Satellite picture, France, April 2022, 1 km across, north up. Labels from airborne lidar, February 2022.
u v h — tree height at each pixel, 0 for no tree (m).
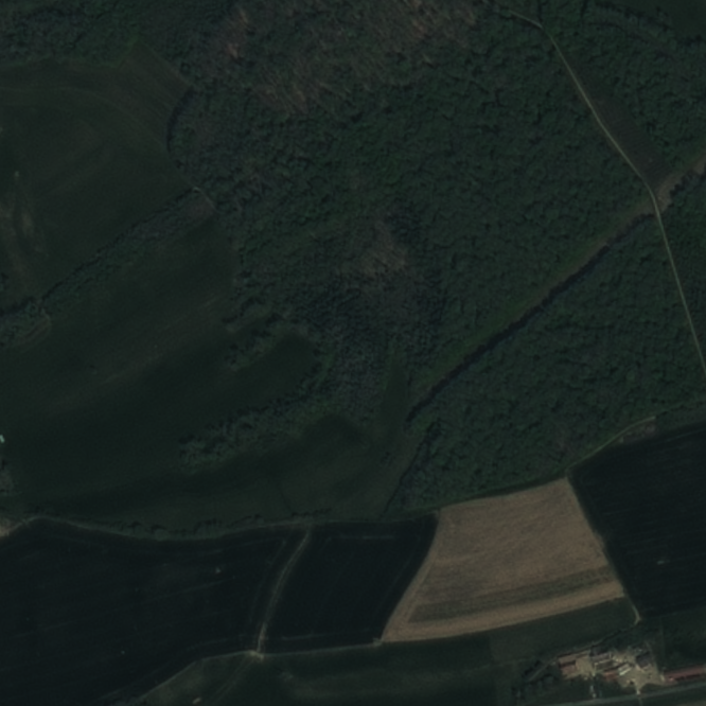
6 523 0
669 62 25
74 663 0
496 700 0
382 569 0
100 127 0
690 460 0
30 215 0
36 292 0
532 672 12
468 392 29
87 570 0
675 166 16
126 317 0
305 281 18
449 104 29
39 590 0
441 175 34
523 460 27
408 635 0
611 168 26
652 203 0
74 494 0
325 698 0
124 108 0
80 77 0
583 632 0
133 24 26
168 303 0
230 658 0
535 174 31
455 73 27
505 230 30
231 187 29
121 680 0
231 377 0
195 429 0
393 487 0
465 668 0
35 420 0
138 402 0
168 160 0
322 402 15
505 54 25
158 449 0
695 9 0
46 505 0
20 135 0
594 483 0
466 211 31
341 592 0
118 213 0
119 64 25
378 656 0
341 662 0
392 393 0
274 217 27
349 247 18
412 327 7
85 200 0
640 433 0
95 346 0
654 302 30
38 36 25
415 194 29
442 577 0
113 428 0
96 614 0
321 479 0
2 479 9
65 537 0
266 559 0
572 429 27
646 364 28
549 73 31
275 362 0
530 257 31
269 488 0
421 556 0
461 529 0
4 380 0
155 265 0
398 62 23
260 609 0
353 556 0
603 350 32
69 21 25
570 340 30
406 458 0
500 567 0
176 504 0
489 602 0
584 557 0
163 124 0
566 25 26
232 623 0
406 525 0
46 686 0
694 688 0
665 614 0
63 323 0
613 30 21
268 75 27
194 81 27
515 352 29
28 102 0
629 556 0
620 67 23
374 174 27
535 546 0
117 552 0
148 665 0
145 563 0
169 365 0
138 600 0
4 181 0
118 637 0
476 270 31
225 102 29
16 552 0
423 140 29
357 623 0
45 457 0
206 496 0
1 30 26
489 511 0
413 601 0
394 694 0
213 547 0
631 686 0
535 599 0
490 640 0
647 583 0
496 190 26
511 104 26
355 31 26
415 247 11
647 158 0
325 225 28
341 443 0
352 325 11
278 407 8
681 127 22
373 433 0
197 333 0
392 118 25
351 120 24
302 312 16
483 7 22
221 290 0
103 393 0
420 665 0
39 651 0
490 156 29
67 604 0
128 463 0
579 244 26
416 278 20
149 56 0
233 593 0
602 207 24
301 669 0
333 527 0
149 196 0
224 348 0
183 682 0
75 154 0
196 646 0
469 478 29
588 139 23
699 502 0
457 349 22
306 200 23
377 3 27
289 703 0
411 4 23
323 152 23
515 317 0
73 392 0
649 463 0
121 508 0
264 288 17
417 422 18
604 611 0
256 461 0
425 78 31
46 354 0
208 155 20
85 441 0
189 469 7
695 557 0
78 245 0
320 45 26
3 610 0
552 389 30
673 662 0
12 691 0
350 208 23
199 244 0
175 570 0
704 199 31
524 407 28
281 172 20
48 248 0
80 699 0
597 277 29
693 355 23
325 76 27
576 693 0
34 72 0
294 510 0
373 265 22
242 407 0
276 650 0
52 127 0
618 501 0
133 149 0
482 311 29
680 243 9
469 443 27
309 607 0
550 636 0
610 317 31
